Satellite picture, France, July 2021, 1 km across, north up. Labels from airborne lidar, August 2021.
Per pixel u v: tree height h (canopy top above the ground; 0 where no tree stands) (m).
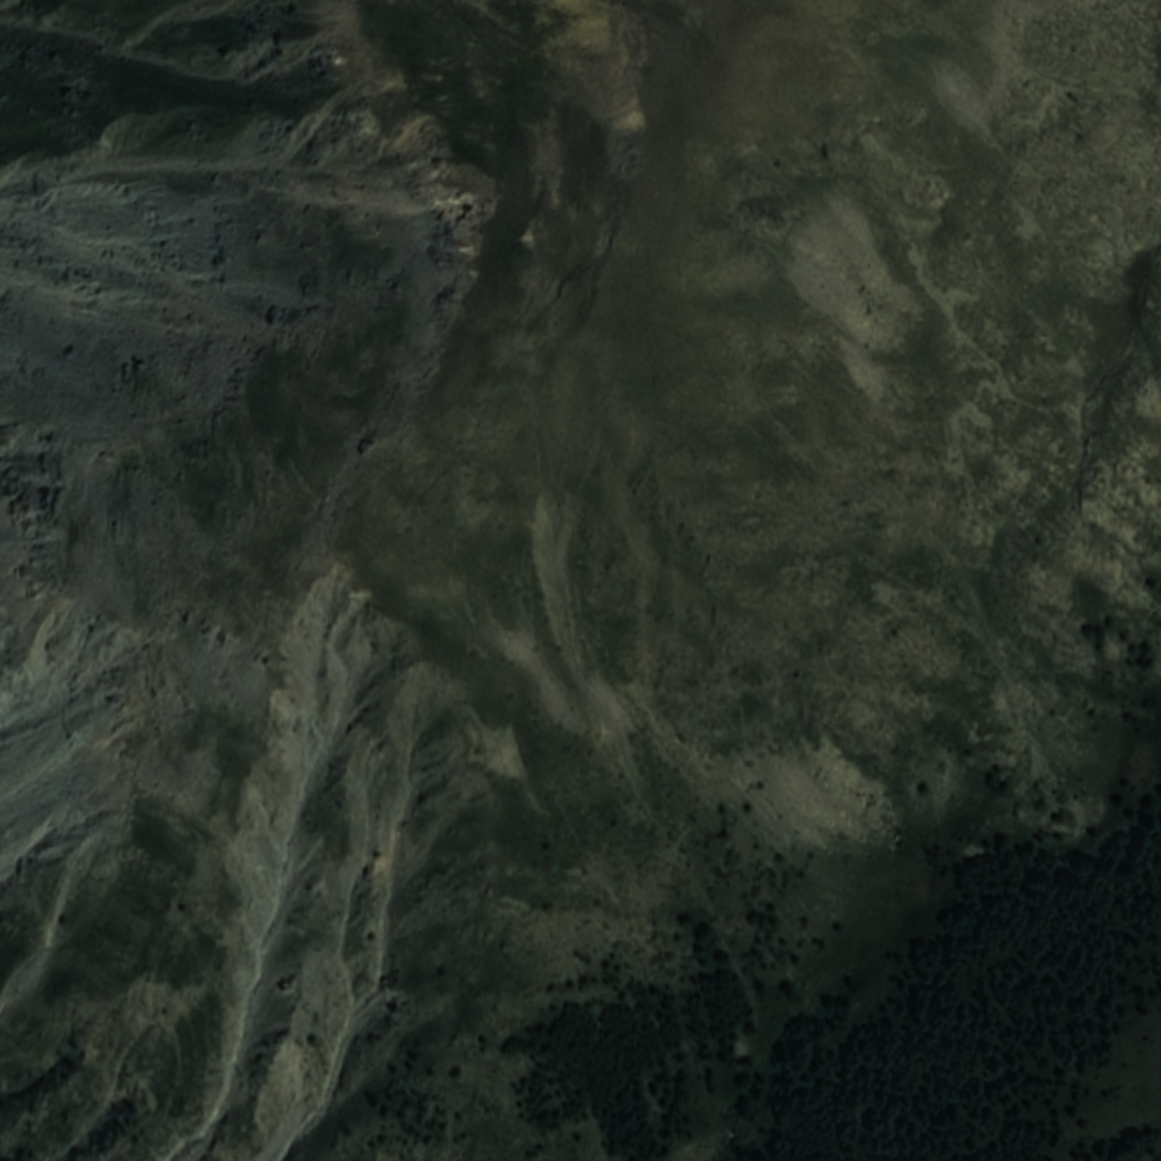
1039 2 0
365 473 0
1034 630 0
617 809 0
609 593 0
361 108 0
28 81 0
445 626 0
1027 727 0
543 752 0
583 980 9
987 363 0
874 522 0
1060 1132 11
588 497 0
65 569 0
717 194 0
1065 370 0
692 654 0
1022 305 0
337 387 0
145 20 0
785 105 0
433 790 0
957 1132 27
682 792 0
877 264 0
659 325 0
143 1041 0
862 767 0
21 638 0
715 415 0
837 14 0
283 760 0
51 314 0
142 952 0
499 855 0
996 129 0
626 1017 14
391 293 0
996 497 0
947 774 0
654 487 0
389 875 0
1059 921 25
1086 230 0
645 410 0
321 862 0
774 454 0
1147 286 0
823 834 0
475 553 0
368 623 0
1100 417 0
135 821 0
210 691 0
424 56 0
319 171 0
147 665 0
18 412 0
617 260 0
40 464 0
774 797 0
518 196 0
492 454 0
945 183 0
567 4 0
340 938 0
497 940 0
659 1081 17
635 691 0
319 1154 0
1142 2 0
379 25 0
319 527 0
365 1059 0
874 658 0
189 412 0
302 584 0
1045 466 0
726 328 0
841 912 0
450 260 0
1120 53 0
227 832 0
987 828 0
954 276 0
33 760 0
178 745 0
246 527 0
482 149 0
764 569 0
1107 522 0
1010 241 0
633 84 0
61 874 0
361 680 0
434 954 0
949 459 0
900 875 0
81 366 0
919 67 0
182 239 0
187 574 0
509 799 0
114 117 0
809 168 0
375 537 0
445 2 0
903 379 0
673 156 0
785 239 0
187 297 0
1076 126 0
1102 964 21
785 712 0
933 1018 20
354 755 0
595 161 0
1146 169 0
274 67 0
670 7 0
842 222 0
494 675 0
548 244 0
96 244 0
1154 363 0
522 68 0
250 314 0
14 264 0
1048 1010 19
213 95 0
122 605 0
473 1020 0
